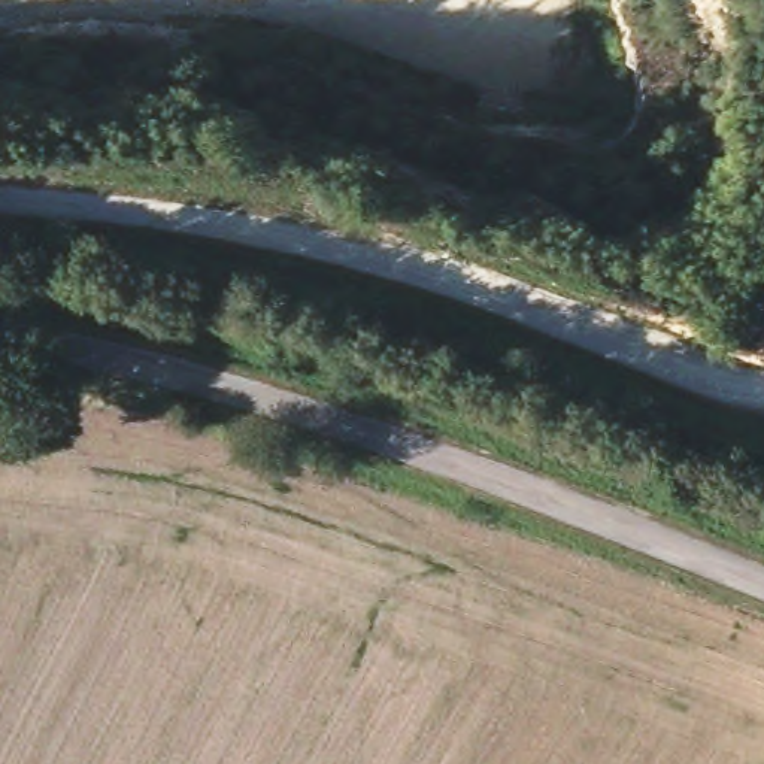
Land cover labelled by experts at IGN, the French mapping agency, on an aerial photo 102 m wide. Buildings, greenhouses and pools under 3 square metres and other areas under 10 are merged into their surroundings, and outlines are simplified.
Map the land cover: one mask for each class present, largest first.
<instances>
[{"label":"agricultural land","instance_id":"1","mask_svg":"<svg viewBox=\"0 0 764 764\"><path fill-rule=\"evenodd\" d=\"M0 764H764V624L749 615H737L725 606H716L704 597H692L669 582L636 576L606 561L495 528L469 519H454L451 513L436 510L430 504L346 480H337L334 486L322 483L316 466H301V475L289 480V492H275L266 472L257 475L239 466L230 457L227 445L206 433L188 436L164 418L125 421L122 409L104 403L96 394H87L81 397V436L72 448L18 466L0 463Z\"/></svg>","mask_w":764,"mask_h":764},{"label":"pervious surface","instance_id":"2","mask_svg":"<svg viewBox=\"0 0 764 764\"><path fill-rule=\"evenodd\" d=\"M627 0H0V84L36 87L39 93L60 98L54 104V119H60L63 125H78L101 146L107 143V140L101 125H113L116 131L131 134L143 125L137 119V107L146 96H167L173 90V69L179 66V60H194L200 69H206L209 78L194 96L200 101H224V116H233V134L239 143L236 149L251 155L254 173L275 176L284 164L304 167L313 173L316 167L334 158L370 161H394L403 185L439 188V209L442 215H451L457 224L469 230H504L513 221H561L579 227L600 245H621L630 254L645 257L660 236L692 230L695 191L707 185L713 161L722 158V140L716 137L710 110L701 107L704 87H689L686 96L677 87L660 96L639 90L624 104L612 96L618 84L615 66L621 60L609 57L603 36L618 27L624 63L630 69L639 63L633 27L624 12ZM666 128L677 131L674 149L680 152L683 164L680 176H671L657 161V155H651V143L660 140ZM701 42L713 45L719 54L734 45L728 27L719 15L722 0H692ZM0 212L69 215L113 224L182 230L289 254L340 263L358 272H370L460 301H472L478 307L510 316L552 337H564L576 346H585L603 358L633 364L695 394L722 403L764 409V349H743L740 361L722 364L719 358H710L704 352V346L689 340L695 328L683 316L666 313L618 301L606 289L573 292L570 298H564L540 287H528L492 269L460 263L448 251H424L412 245L409 230L403 224H385L376 242L355 233H337L322 218L313 221L307 215H289L269 221V215H248L239 203L221 197L209 200V206L185 203L179 209V203L140 194L107 197L104 188L93 185H51L42 176L0 179ZM63 346L57 376L60 385L78 376L87 394H96L104 403L122 409L125 421L164 418L188 436L206 433L209 427L236 421L242 415H254V409H260L266 415L275 412L281 424L298 430L307 442L334 445L343 454H352L358 463H388L421 478H448L510 504L546 513L567 525L585 528L591 534L648 552L654 558H663L669 564H677L683 570L701 573L707 579H716L728 588L764 600V567L734 552L716 549L707 540H695L683 531L660 525V513L648 507L597 501L549 478L528 475L507 463L478 457L454 445H439L445 433H436L430 427L406 421L388 397L370 403L337 400L334 394L322 391L301 394L266 385L242 373H227L233 349L215 334L194 337L191 343H167L143 337L125 325L96 322L90 313H72L60 328Z\"/></svg>","mask_w":764,"mask_h":764},{"label":"brushwood","instance_id":"3","mask_svg":"<svg viewBox=\"0 0 764 764\"><path fill-rule=\"evenodd\" d=\"M624 12L633 27L639 63L651 60L654 51H663L683 30L671 0H627ZM755 3V12L746 18H734L728 27L734 45L743 54L737 84H743L755 101V116H743L737 122V134L746 143L743 191L731 200H722V194L707 185L695 191L692 230L660 236L645 257L630 254L621 245H600L579 227L561 221H513L504 230L513 242H528L534 254H567L573 272H579V266L591 269L594 275L609 269L618 281H639L648 292L669 298L666 313L683 316L695 328H722L725 343L743 349H764V0H740ZM609 57L621 60L615 66L618 84L612 96L624 104L639 90L630 69L624 63L618 27L603 36ZM209 78L206 69H200L194 60H179V66L173 69V90L167 96H146L137 107V119L143 125L131 134L116 131L113 125H101L107 140L122 149L125 158L152 161V152H164V161H173V155L188 152L191 164H203L206 158L197 146V131L206 119L224 116V101H200L194 96ZM60 98L39 93L36 87L0 84V179L42 176L45 167L90 164L93 158L107 155V143L101 146L78 125H63L60 119H54V104ZM677 131L666 128L660 140L651 143V155H657V161L671 176H680L683 164L680 152L674 149ZM370 161L334 158L316 167L313 173L319 182V197L328 206L361 212L358 185L364 182ZM457 242L472 239L483 257L495 254V230H469L457 224ZM98 257L104 263V287L131 304L140 298H152L164 310L191 313L194 337L215 334L218 316L227 304V292L218 281L197 284L173 278L167 272H149L146 266H134L113 248L101 245ZM9 266L18 284V295L33 298L51 295V278L57 266L48 257L27 251L12 254L9 260L0 254V269ZM284 266L298 281L284 295H278L266 281H245L254 301L266 304L284 325H289L301 313V307H310L313 319L307 322V334H313L319 346L352 340L358 331L367 328L391 340L394 346H406L421 355L448 349L457 367L489 376L492 388L504 397H516L522 388H537L546 403V418H531L525 409L516 406L513 424H498L483 409L460 415L445 409L430 427L436 433H445L439 445H454L478 457L507 463L528 475L549 478L597 501L648 507L660 513V525L683 531L695 540H707L716 549L734 552L764 567V409L722 403L695 394L633 364L603 358L585 346H576L564 337H552L510 316L478 307L472 301H460L370 272H358L340 263L289 254L284 257ZM346 480L430 504L436 510L451 513L454 519H469L495 528L510 504L448 478H421L388 463H358Z\"/></svg>","mask_w":764,"mask_h":764},{"label":"herbaceous vegetation","instance_id":"4","mask_svg":"<svg viewBox=\"0 0 764 764\"><path fill-rule=\"evenodd\" d=\"M683 30L663 51H654L651 60L639 63L630 69L639 90L660 96L677 87L686 96L689 87H704L701 107L710 110L716 137L722 140V158L713 161L707 185L722 194V200H731L743 191L746 143L737 134V122L743 116H755V101L743 84H737L743 54L734 45L719 54L713 45L701 42L692 0H671ZM755 12V3L740 0H722L719 15L728 27L734 18H746ZM197 146L206 158L203 164H191L188 152L173 155V161H164V152H152V161L125 158L122 149L107 140V155L93 158L90 164L45 167L42 176L51 185H93L104 188L107 197L140 194L179 203V209L185 203L209 206V200L221 197L239 203L248 215H269V221L289 215H307L313 221L322 218L337 233H355L376 242L385 224H403L409 230L412 245L424 251H448L460 263L492 269L528 287H540L564 298H570L573 292L606 289L618 301L666 313L669 298L648 292L639 281H618L609 269L594 275L591 269L579 266V272H573L567 254H534L528 242H513L504 230H495V254L483 257L472 239L457 242V224L451 215H442L439 209V188L403 185L394 161H370L364 182L358 185L361 212L328 206L319 197V182L313 173L304 167L284 164L275 176L254 173L251 155L236 149L239 143L233 134V116H224L206 119L197 131ZM84 236L98 239L101 245L113 248L134 266H146L149 272H167L173 278L197 284L218 281L227 292L233 281H266L278 295H284L298 281L284 266V257L289 254L182 230L113 224L69 215L0 212V254L9 260L12 254L27 251L48 257L57 266ZM689 340L704 346V352L710 358H719L722 364L740 361L743 349L725 343L722 328H695ZM495 528L606 561L636 576L669 582L692 597H704L716 606H725L737 615H749L764 624V600L728 588L716 579H707L701 573L683 570L677 564H669L663 558H654L648 552L591 534L585 528L567 525L546 513L510 504Z\"/></svg>","mask_w":764,"mask_h":764},{"label":"deciduous trees","instance_id":"5","mask_svg":"<svg viewBox=\"0 0 764 764\"><path fill-rule=\"evenodd\" d=\"M101 245L98 239L84 236L57 266L51 278V295L33 298L18 295V284L9 266L0 269V463L18 466L72 448L81 436V397L87 394L78 376L60 385L57 376L63 346L60 328L72 313H90L96 322L125 325L143 337L167 343H191L194 337L191 313L164 310L152 298H140L131 304L104 287V263L98 257ZM313 319L310 307H301V313L289 325H284L266 304L254 301L245 281H233L227 292V304L218 316L215 334L233 349L227 373H242L266 385L301 394L322 391L334 394L337 400L370 403L388 397L406 421L430 427L445 409L460 415L483 409L498 424H513L516 406L525 409L531 418H546V403L537 388H522L516 397H504L492 388L489 376L457 367L448 349L421 355L406 346H394L391 340L367 328L358 331L352 340L319 346L313 334H307V322ZM206 433L227 445L230 457L239 466L257 475L266 472L275 492H289V480L301 475V466H316L322 483L334 486L337 480H346L358 463L352 454H343L334 445L307 442L298 430L281 424L275 412L266 415L260 409H254V415H242L236 421L209 427Z\"/></svg>","mask_w":764,"mask_h":764}]
</instances>
